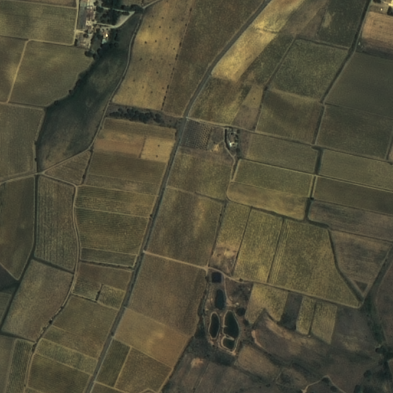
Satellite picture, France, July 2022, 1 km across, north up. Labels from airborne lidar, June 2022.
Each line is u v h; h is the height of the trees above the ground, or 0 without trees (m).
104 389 0
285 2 0
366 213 0
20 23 0
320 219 0
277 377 0
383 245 0
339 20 0
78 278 0
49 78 0
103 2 6
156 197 0
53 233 0
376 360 0
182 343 0
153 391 0
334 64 0
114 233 0
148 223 0
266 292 0
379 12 0
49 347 0
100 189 0
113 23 9
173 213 0
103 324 0
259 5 0
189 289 0
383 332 0
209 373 0
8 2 0
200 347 0
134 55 0
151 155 0
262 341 0
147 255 0
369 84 0
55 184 0
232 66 0
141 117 8
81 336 0
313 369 0
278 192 0
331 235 0
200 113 0
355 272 0
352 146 0
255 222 0
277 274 0
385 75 0
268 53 0
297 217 0
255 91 0
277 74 0
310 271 0
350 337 0
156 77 0
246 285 0
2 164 0
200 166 0
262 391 0
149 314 0
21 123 0
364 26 0
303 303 0
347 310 0
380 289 0
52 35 0
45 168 0
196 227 0
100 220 0
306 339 0
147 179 0
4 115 0
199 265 0
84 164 0
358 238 0
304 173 0
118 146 0
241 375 0
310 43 0
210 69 0
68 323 0
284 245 0
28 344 0
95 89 0
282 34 0
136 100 0
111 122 0
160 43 0
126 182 0
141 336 0
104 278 0
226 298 0
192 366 0
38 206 0
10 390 0
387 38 0
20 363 0
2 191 0
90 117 0
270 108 0
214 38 0
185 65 0
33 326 0
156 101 0
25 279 0
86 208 0
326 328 0
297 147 0
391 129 0
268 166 0
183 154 0
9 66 0
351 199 0
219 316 0
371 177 0
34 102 0
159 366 0
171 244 0
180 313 0
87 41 0
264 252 0
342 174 0
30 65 0
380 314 0
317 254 0
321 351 0
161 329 0
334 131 0
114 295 0
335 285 0
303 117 0
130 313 0
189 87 0
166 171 0
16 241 0
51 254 0
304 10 0
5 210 0
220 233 0
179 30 0
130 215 0
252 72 0
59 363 0
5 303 0
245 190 0
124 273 0
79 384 0
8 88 0
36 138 0
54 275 0
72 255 0
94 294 0
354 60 0
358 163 0
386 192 0
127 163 0
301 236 0
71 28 0
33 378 0
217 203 0
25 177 0
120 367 0
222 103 0
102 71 0
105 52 21
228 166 0
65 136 0
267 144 0
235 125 0
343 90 0
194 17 0
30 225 0
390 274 0
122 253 0
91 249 0
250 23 0
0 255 0
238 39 0
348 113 0
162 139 0
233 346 0
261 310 0
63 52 0
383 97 0
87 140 0
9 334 0
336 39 0
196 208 0
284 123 0
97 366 0
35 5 0
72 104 0
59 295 0
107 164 0
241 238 0
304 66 0
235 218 0
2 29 0
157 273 0
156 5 0
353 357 0
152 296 0
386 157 0
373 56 0
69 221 0
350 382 0
